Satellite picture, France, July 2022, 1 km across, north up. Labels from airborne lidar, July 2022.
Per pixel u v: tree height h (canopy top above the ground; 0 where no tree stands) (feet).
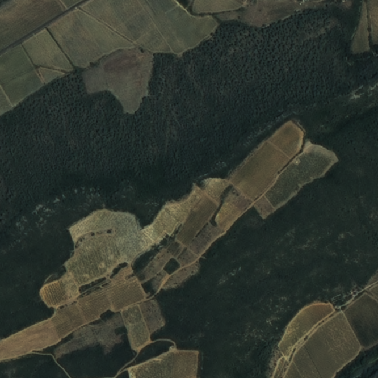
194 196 0
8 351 0
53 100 23
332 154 0
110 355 18
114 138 22
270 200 0
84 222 0
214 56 31
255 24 0
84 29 0
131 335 0
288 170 0
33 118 31
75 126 25
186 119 21
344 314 0
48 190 24
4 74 0
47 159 21
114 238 0
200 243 0
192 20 0
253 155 0
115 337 0
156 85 23
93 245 0
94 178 21
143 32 0
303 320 0
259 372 34
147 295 0
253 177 0
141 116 35
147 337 0
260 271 0
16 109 21
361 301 0
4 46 0
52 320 0
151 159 34
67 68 0
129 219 0
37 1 0
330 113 27
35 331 0
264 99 29
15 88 0
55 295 0
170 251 0
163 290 22
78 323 0
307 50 23
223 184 0
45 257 0
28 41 0
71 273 0
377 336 0
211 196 0
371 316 0
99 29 0
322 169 0
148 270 0
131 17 0
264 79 31
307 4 0
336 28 28
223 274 0
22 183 21
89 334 0
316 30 23
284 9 0
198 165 21
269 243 0
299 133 0
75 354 24
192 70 19
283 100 24
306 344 0
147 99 39
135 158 30
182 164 26
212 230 0
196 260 0
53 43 0
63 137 27
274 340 35
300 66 22
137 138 21
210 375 0
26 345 0
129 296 0
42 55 0
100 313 0
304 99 25
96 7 0
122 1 0
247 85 31
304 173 0
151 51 0
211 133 24
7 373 0
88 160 31
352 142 21
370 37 21
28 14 0
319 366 0
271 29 41
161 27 0
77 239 0
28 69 0
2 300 0
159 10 0
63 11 0
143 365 0
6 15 0
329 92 29
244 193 0
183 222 0
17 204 20
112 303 0
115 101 30
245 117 21
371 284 0
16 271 0
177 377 0
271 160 0
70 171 24
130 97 0
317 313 0
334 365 0
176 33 0
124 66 0
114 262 0
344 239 0
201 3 0
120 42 0
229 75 27
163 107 17
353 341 0
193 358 0
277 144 0
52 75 0
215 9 0
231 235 27
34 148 24
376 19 0
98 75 0
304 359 0
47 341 0
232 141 23
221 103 20
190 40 0
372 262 0
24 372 0
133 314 0
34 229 0
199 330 0
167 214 0
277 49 30
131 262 0
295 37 27
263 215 0
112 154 22
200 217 0
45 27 0
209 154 26
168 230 0
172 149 22
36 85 0
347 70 21
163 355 0
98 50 0
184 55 23
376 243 18
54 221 0
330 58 20
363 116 25
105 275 0
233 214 0
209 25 0
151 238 0
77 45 0
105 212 0
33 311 0
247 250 0
